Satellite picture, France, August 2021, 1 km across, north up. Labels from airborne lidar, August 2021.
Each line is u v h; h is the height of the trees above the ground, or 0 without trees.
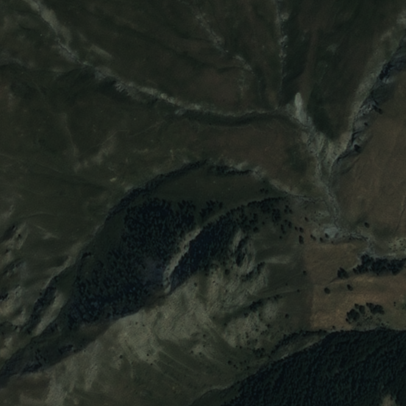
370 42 0
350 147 0
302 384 25
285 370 15
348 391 15
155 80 0
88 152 0
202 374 0
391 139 0
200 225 0
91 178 0
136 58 0
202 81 0
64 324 0
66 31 0
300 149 0
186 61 0
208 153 0
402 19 0
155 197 0
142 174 0
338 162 0
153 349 0
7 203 0
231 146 0
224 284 0
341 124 0
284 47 0
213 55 0
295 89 0
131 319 0
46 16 0
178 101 0
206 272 9
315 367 22
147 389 0
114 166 0
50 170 0
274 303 0
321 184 0
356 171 0
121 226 0
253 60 0
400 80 0
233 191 0
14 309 0
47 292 0
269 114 0
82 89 0
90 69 0
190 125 0
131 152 0
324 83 0
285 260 0
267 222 0
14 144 0
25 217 0
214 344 0
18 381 0
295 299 0
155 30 0
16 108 0
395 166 0
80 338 0
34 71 0
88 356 0
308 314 0
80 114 0
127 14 0
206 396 0
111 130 0
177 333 0
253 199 0
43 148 0
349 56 0
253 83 0
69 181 0
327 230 0
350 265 0
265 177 0
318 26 0
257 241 0
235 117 0
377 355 19
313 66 0
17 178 0
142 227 15
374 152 0
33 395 0
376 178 0
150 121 0
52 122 0
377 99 0
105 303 0
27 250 0
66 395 0
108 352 0
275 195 0
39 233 0
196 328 0
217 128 0
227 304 0
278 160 0
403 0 0
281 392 22
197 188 0
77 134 0
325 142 0
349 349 18
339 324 0
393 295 0
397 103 0
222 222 10
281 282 0
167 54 0
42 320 0
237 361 0
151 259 0
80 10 0
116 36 0
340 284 0
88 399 0
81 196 0
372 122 0
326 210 0
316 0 0
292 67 0
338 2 0
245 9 0
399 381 24
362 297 0
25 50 0
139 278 0
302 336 15
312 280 0
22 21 0
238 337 0
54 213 0
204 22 0
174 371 0
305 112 0
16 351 0
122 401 0
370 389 19
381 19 0
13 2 0
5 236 0
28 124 0
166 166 0
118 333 0
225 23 0
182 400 0
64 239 0
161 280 0
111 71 0
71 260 0
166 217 7
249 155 0
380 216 0
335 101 0
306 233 0
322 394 19
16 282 0
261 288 0
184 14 0
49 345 0
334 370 22
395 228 0
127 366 0
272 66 0
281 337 0
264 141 0
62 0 0
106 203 0
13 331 0
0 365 0
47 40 0
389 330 8
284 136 0
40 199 0
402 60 0
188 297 0
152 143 0
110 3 0
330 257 0
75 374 0
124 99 0
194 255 13
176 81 0
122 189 0
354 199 0
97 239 0
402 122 0
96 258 0
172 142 0
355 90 0
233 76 0
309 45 0
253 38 0
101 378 0
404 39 0
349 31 0
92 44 0
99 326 0
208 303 0
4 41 0
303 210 0
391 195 0
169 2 0
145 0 0
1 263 0
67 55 0
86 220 0
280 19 0
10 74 0
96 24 0
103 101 0
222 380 0
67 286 0
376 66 0
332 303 0
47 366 0
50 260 0
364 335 19
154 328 0
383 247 0
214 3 0
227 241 16
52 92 0
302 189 0
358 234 0
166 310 0
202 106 0
